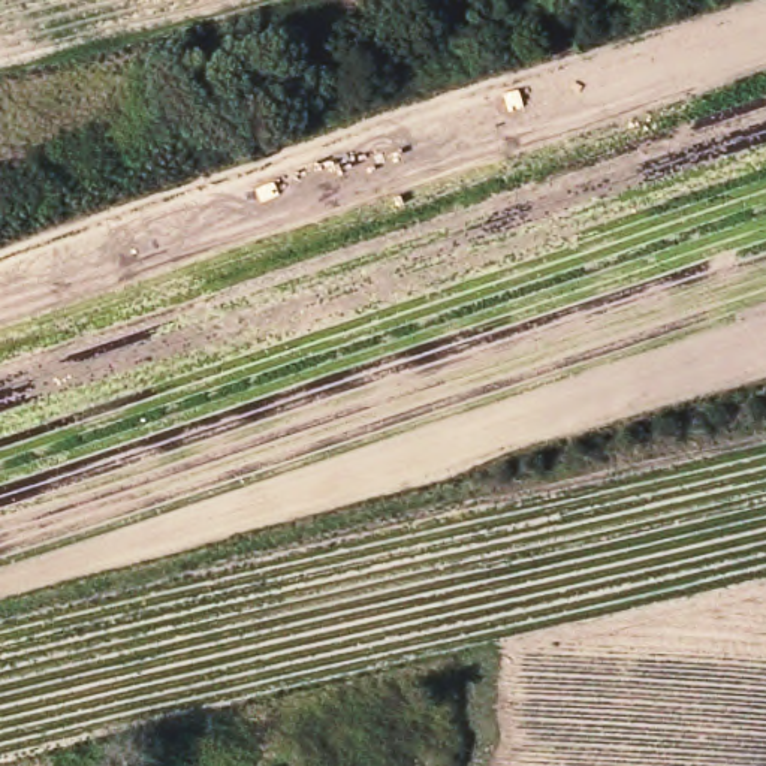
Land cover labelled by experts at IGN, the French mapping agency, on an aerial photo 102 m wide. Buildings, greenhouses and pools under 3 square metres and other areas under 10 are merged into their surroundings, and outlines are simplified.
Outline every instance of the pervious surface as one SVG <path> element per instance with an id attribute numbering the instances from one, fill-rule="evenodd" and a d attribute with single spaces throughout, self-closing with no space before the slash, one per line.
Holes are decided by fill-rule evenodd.
<path id="1" fill-rule="evenodd" d="M 0 66 L 0 162 L 24 159 L 42 141 L 57 138 L 60 129 L 87 126 L 99 114 L 99 108 L 126 111 L 126 102 L 132 96 L 129 54 L 117 54 L 102 63 L 78 66 L 57 75 L 51 75 L 48 66 L 39 60 Z"/>

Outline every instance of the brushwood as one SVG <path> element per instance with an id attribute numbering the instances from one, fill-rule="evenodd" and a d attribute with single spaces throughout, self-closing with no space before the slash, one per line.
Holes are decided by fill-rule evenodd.
<path id="1" fill-rule="evenodd" d="M 476 733 L 467 715 L 467 688 L 470 682 L 482 679 L 476 664 L 443 667 L 428 676 L 407 676 L 401 682 L 374 679 L 371 670 L 356 673 L 353 688 L 347 688 L 338 691 L 329 703 L 323 703 L 323 715 L 299 709 L 296 745 L 305 766 L 470 766 L 476 751 Z"/>
<path id="2" fill-rule="evenodd" d="M 536 21 L 536 30 L 545 42 L 545 51 L 554 57 L 569 54 L 575 33 L 545 9 Z"/>
<path id="3" fill-rule="evenodd" d="M 200 736 L 200 754 L 194 766 L 254 766 L 260 748 L 227 751 L 218 739 Z"/>
<path id="4" fill-rule="evenodd" d="M 183 48 L 200 48 L 203 54 L 212 54 L 221 42 L 215 21 L 189 21 Z"/>
<path id="5" fill-rule="evenodd" d="M 595 12 L 595 39 L 601 45 L 616 42 L 610 36 L 610 18 L 622 3 L 610 0 L 583 0 Z"/>
<path id="6" fill-rule="evenodd" d="M 251 81 L 263 102 L 275 108 L 281 135 L 293 144 L 416 102 L 407 93 L 410 78 L 425 63 L 437 60 L 461 33 L 467 21 L 467 0 L 278 0 L 254 9 L 260 15 L 260 30 L 272 30 L 284 39 L 281 57 L 287 60 L 287 78 L 260 75 L 248 66 L 245 57 L 233 63 L 233 78 Z"/>
<path id="7" fill-rule="evenodd" d="M 105 745 L 99 739 L 51 751 L 54 766 L 99 766 Z"/>
<path id="8" fill-rule="evenodd" d="M 512 482 L 551 482 L 563 476 L 577 476 L 607 464 L 631 446 L 652 443 L 652 437 L 673 437 L 676 443 L 706 443 L 718 434 L 766 431 L 766 380 L 745 383 L 715 395 L 700 395 L 673 407 L 643 413 L 637 419 L 619 419 L 577 437 L 560 437 L 497 458 L 506 467 L 506 479 Z"/>

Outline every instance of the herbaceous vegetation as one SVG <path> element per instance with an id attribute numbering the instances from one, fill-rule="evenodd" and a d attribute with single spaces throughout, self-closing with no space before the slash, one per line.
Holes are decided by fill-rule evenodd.
<path id="1" fill-rule="evenodd" d="M 284 688 L 269 697 L 251 697 L 245 703 L 224 709 L 203 709 L 200 703 L 171 706 L 165 709 L 165 718 L 156 724 L 108 733 L 99 739 L 105 745 L 99 766 L 194 766 L 200 754 L 200 736 L 218 739 L 227 751 L 260 748 L 254 766 L 305 766 L 296 745 L 299 709 L 323 715 L 323 703 L 329 703 L 338 691 L 347 688 L 347 679 L 332 679 Z"/>
<path id="2" fill-rule="evenodd" d="M 452 664 L 428 655 L 371 670 L 374 679 L 401 682 L 407 676 L 428 676 L 443 667 L 476 664 L 482 679 L 470 682 L 467 688 L 467 715 L 476 733 L 476 751 L 470 766 L 494 766 L 494 754 L 500 745 L 500 646 L 485 652 L 461 649 L 458 655 L 452 655 Z"/>
<path id="3" fill-rule="evenodd" d="M 27 613 L 45 604 L 66 601 L 69 610 L 81 610 L 117 598 L 144 595 L 153 589 L 209 580 L 212 572 L 192 575 L 192 569 L 212 566 L 218 560 L 299 545 L 338 530 L 362 530 L 365 524 L 386 518 L 410 521 L 419 509 L 452 509 L 464 500 L 503 494 L 512 482 L 506 479 L 506 467 L 497 458 L 473 470 L 464 470 L 452 479 L 404 488 L 383 497 L 368 497 L 329 512 L 245 530 L 177 554 L 150 557 L 132 566 L 117 566 L 0 598 L 0 619 L 3 625 L 18 625 L 15 613 Z"/>
<path id="4" fill-rule="evenodd" d="M 595 12 L 583 0 L 467 0 L 467 21 L 461 33 L 437 60 L 425 63 L 410 78 L 407 93 L 416 102 L 434 99 L 440 93 L 503 72 L 548 63 L 554 57 L 545 51 L 545 42 L 536 30 L 536 21 L 545 9 L 575 33 L 569 54 L 592 51 L 601 45 L 595 39 Z"/>
<path id="5" fill-rule="evenodd" d="M 610 18 L 610 36 L 616 42 L 637 42 L 649 30 L 661 30 L 667 24 L 679 24 L 748 0 L 610 0 L 622 3 Z"/>
<path id="6" fill-rule="evenodd" d="M 0 162 L 0 248 L 39 230 L 57 227 L 63 221 L 102 212 L 108 206 L 144 194 L 186 186 L 197 177 L 233 165 L 275 156 L 293 144 L 281 135 L 275 108 L 263 102 L 251 81 L 233 78 L 233 63 L 245 57 L 248 66 L 260 75 L 287 78 L 287 60 L 281 57 L 284 39 L 272 30 L 260 30 L 260 15 L 254 9 L 215 21 L 221 42 L 212 54 L 203 54 L 200 48 L 183 48 L 189 21 L 93 39 L 39 60 L 48 66 L 51 75 L 57 75 L 78 66 L 102 63 L 117 54 L 129 54 L 132 96 L 126 102 L 126 111 L 99 108 L 99 114 L 87 126 L 60 129 L 57 138 L 42 141 L 24 159 Z"/>

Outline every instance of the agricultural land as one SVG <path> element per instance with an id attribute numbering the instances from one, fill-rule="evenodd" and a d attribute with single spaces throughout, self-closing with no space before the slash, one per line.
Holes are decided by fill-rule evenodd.
<path id="1" fill-rule="evenodd" d="M 66 601 L 45 604 L 27 613 L 15 613 L 18 625 L 3 625 L 0 619 L 0 766 L 54 766 L 51 751 L 99 739 L 108 733 L 156 724 L 165 718 L 165 709 L 171 706 L 200 703 L 203 709 L 224 709 L 245 703 L 251 697 L 269 697 L 284 688 L 332 679 L 347 679 L 347 688 L 353 688 L 356 673 L 371 670 L 428 655 L 452 664 L 452 655 L 458 655 L 461 649 L 485 652 L 500 646 L 500 745 L 494 754 L 494 766 L 766 766 L 766 431 L 718 434 L 706 443 L 676 443 L 673 437 L 652 437 L 652 443 L 631 446 L 607 464 L 577 476 L 563 476 L 551 482 L 512 482 L 503 494 L 464 500 L 452 509 L 419 509 L 410 521 L 386 518 L 365 524 L 362 530 L 338 530 L 299 545 L 218 560 L 212 566 L 192 569 L 192 575 L 212 572 L 209 580 L 153 589 L 144 595 L 117 598 L 81 610 L 69 610 Z"/>
<path id="2" fill-rule="evenodd" d="M 464 470 L 473 470 L 497 458 L 560 437 L 577 437 L 619 419 L 637 419 L 643 413 L 673 407 L 700 395 L 715 395 L 745 383 L 766 380 L 766 0 L 748 0 L 679 24 L 667 24 L 661 30 L 649 30 L 637 42 L 616 42 L 601 45 L 592 51 L 569 54 L 554 57 L 548 63 L 503 72 L 440 93 L 434 99 L 416 102 L 293 144 L 275 156 L 233 165 L 197 177 L 186 186 L 144 194 L 108 206 L 102 212 L 63 221 L 57 227 L 39 230 L 0 248 L 0 598 L 117 566 L 132 566 L 150 557 L 177 554 L 245 530 L 329 512 L 368 497 L 383 497 L 404 488 L 452 479 Z"/>
<path id="3" fill-rule="evenodd" d="M 93 39 L 189 21 L 215 21 L 254 9 L 278 0 L 0 0 L 0 66 L 39 60 Z"/>

